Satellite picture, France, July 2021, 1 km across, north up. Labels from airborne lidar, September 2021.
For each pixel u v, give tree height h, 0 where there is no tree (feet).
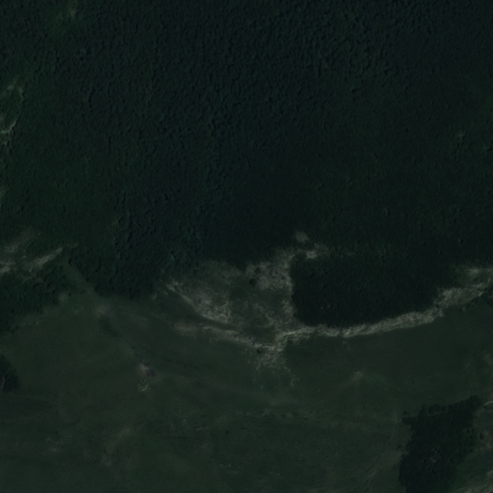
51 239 35
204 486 0
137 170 69
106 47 73
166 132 54
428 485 74
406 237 53
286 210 47
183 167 76
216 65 70
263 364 0
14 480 0
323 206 56
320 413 0
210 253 31
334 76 76
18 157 62
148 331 0
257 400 0
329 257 29
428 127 67
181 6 50
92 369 0
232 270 0
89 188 60
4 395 0
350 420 0
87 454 0
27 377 0
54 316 0
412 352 0
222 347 0
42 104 53
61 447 0
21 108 47
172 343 0
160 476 0
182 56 68
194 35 56
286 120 64
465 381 0
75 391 0
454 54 71
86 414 0
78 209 57
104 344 0
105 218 46
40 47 56
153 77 40
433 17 94
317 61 67
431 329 0
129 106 59
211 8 76
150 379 0
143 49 56
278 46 63
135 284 35
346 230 59
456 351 0
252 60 58
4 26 72
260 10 59
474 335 0
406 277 54
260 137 67
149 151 76
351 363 0
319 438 0
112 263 59
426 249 62
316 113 76
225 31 55
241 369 0
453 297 0
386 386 0
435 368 0
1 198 29
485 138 57
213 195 30
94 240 59
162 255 36
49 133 51
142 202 66
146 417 0
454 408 48
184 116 61
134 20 79
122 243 74
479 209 54
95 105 82
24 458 0
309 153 56
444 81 71
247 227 41
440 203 46
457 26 77
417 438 44
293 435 0
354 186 43
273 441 0
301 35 78
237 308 0
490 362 0
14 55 49
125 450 0
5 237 31
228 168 39
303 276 52
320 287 58
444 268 39
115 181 64
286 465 0
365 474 0
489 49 76
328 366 0
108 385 0
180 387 0
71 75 63
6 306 48
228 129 53
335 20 83
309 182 34
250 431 0
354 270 54
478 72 55
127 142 57
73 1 24
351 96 70
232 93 66
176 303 0
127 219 66
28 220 37
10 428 0
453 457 76
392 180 57
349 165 49
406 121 62
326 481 0
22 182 57
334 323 36
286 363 0
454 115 66
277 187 43
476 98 80
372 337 0
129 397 0
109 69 80
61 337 0
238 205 43
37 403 0
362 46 83
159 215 43
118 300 0
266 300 0
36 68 40
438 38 82
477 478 0
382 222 57
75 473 0
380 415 0
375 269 45
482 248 54
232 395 0
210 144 59
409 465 61
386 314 39
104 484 0
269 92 66
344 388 0
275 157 54
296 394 0
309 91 71
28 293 69
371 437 0
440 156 65
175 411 0
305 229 27
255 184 45
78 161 52
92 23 67
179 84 70
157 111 77
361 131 66
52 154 57
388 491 0
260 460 0
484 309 0
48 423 0
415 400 0
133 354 0
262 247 32
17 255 24
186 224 40
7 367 51
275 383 0
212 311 0
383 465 0
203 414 0
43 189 46
